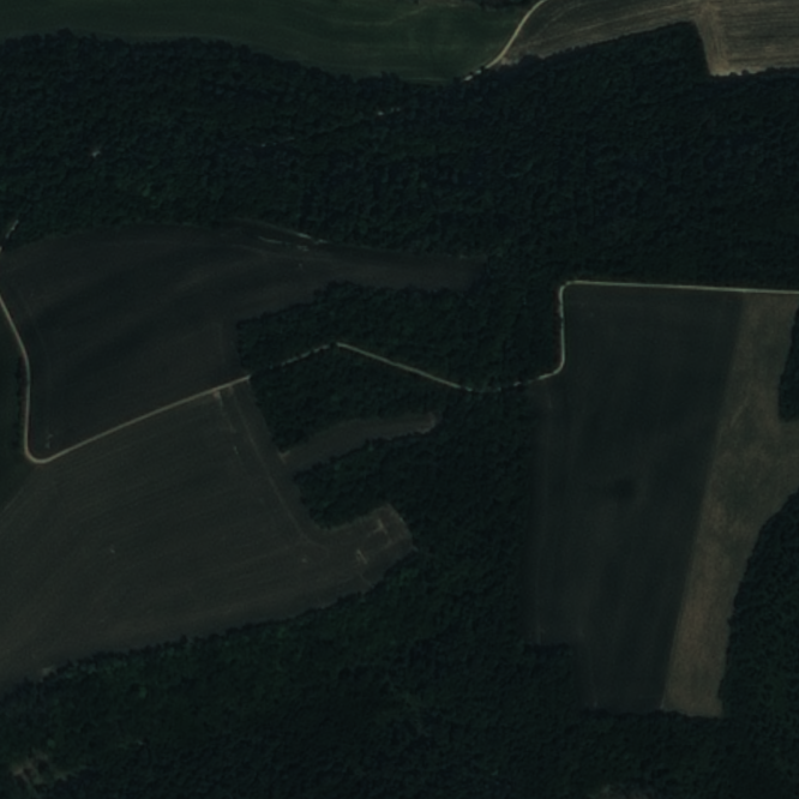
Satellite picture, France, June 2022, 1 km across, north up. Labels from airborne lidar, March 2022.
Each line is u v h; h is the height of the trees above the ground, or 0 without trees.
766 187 21
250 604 0
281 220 12
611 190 20
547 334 13
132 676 20
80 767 24
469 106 27
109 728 27
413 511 17
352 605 16
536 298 16
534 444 0
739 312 0
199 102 27
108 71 23
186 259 0
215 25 0
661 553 0
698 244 16
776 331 0
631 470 0
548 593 0
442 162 15
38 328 0
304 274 0
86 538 0
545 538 0
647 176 30
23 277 0
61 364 0
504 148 20
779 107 23
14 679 0
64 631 0
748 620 18
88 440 0
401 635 11
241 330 12
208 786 9
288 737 12
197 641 10
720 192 26
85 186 10
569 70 24
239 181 27
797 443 0
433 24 0
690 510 0
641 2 0
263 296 0
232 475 0
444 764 17
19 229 7
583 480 0
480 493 16
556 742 18
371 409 14
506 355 13
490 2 18
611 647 0
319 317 17
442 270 0
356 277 0
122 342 0
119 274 0
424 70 0
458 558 20
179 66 28
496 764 15
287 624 9
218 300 0
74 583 0
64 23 0
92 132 21
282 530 0
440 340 10
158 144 24
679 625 0
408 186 27
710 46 0
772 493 0
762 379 0
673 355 0
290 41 0
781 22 0
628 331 0
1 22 0
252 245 0
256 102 29
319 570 0
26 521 0
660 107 27
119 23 0
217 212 16
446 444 17
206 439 0
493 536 20
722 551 0
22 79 17
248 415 0
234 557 0
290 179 30
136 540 0
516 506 17
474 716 13
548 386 0
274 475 0
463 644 21
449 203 25
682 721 17
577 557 0
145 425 0
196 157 26
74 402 0
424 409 12
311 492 6
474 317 16
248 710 11
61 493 0
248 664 18
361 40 0
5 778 26
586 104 22
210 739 10
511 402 15
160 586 0
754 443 0
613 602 0
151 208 15
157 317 0
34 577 0
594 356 0
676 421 0
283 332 10
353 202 26
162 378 0
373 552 0
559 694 19
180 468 0
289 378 9
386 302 15
